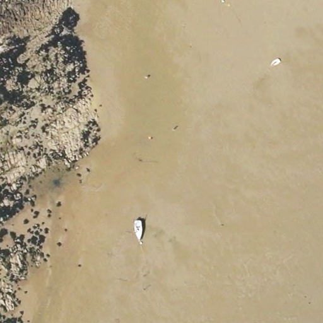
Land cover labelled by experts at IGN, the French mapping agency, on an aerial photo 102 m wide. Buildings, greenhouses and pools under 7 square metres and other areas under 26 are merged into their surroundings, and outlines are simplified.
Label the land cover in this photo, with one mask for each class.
<instances>
[{"label":"bare soil","instance_id":"1","mask_svg":"<svg viewBox=\"0 0 323 323\"><path fill-rule=\"evenodd\" d=\"M69 8L79 15L78 23L74 28L63 29L62 35H76L82 40L90 72L79 73V62L63 64V58L67 57V54L63 52L61 43H58L56 48L49 49L48 62H43L44 50L35 54L40 45L48 42L50 30L58 23L63 11ZM16 35L19 38H30L25 52L18 57L19 63L26 64V72L30 79L28 85H20L18 82L20 67L14 69L6 82V90L23 91V101L16 105L9 102L0 105V184L11 183L13 191H21L23 197L28 198L24 208L9 221L0 218V323H323V0H0V53L14 48V45H8L9 37Z\"/></svg>","mask_w":323,"mask_h":323},{"label":"herbaceous vegetation","instance_id":"2","mask_svg":"<svg viewBox=\"0 0 323 323\"><path fill-rule=\"evenodd\" d=\"M79 15L69 8L63 11L58 23L50 30L48 42L40 45L35 54L44 50L43 62H48L49 49L56 48L58 43H61L63 52L67 54V57L63 58V64L79 62V73L90 72L82 40L76 35H62L63 29L74 28L78 23ZM30 38H19L16 35L9 37L8 45H14V48L0 53V105L9 102L16 105L23 101V91L6 90V82L14 69L20 67L18 82L20 85H28L30 79L26 72V64L19 63L18 57L25 52ZM28 198L23 197L21 191H13L11 183L0 184V218L9 221L24 208Z\"/></svg>","mask_w":323,"mask_h":323}]
</instances>
